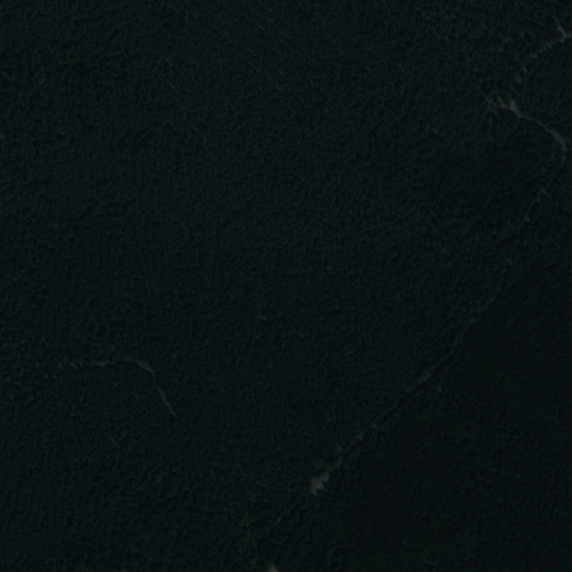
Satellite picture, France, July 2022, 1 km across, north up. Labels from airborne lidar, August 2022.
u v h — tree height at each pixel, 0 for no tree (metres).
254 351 24
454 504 28
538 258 19
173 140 23
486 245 16
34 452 17
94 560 23
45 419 19
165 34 24
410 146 24
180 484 13
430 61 23
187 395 20
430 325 21
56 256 15
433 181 11
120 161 23
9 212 9
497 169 6
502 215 12
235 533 24
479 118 32
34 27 21
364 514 23
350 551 25
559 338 23
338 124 20
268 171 23
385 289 16
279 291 26
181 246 12
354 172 18
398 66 22
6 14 7
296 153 29
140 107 24
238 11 21
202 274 17
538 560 24
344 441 20
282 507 26
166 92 23
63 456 19
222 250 22
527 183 7
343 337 23
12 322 21
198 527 26
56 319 19
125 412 27
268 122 25
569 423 23
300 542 18
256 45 25
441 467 27
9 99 19
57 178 22
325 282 25
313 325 23
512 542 21
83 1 19
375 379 23
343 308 22
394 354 20
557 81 24
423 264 24
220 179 22
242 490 28
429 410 27
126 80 23
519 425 25
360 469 22
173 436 30
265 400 23
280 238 31
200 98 25
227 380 27
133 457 23
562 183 23
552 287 24
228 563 23
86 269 17
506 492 30
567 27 11
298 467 28
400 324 20
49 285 18
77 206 18
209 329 26
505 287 17
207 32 23
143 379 22
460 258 26
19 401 17
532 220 13
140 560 9
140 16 26
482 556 22
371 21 24
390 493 26
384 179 22
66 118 22
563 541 21
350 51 24
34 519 17
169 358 27
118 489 20
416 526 23
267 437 29
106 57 10
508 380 26
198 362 25
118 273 8
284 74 22
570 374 27
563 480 23
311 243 21
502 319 21
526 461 26
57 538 17
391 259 28
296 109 22
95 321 8
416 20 25
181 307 24
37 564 18
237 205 23
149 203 25
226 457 22
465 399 23
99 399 29
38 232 13
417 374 24
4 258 17
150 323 23
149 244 23
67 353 25
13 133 9
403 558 22
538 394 26
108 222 23
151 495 18
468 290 23
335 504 23
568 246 21
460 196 13
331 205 25
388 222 22
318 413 25
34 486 19
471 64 8
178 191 26
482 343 25
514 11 14
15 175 13
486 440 28
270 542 10
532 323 20
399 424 25
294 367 21
